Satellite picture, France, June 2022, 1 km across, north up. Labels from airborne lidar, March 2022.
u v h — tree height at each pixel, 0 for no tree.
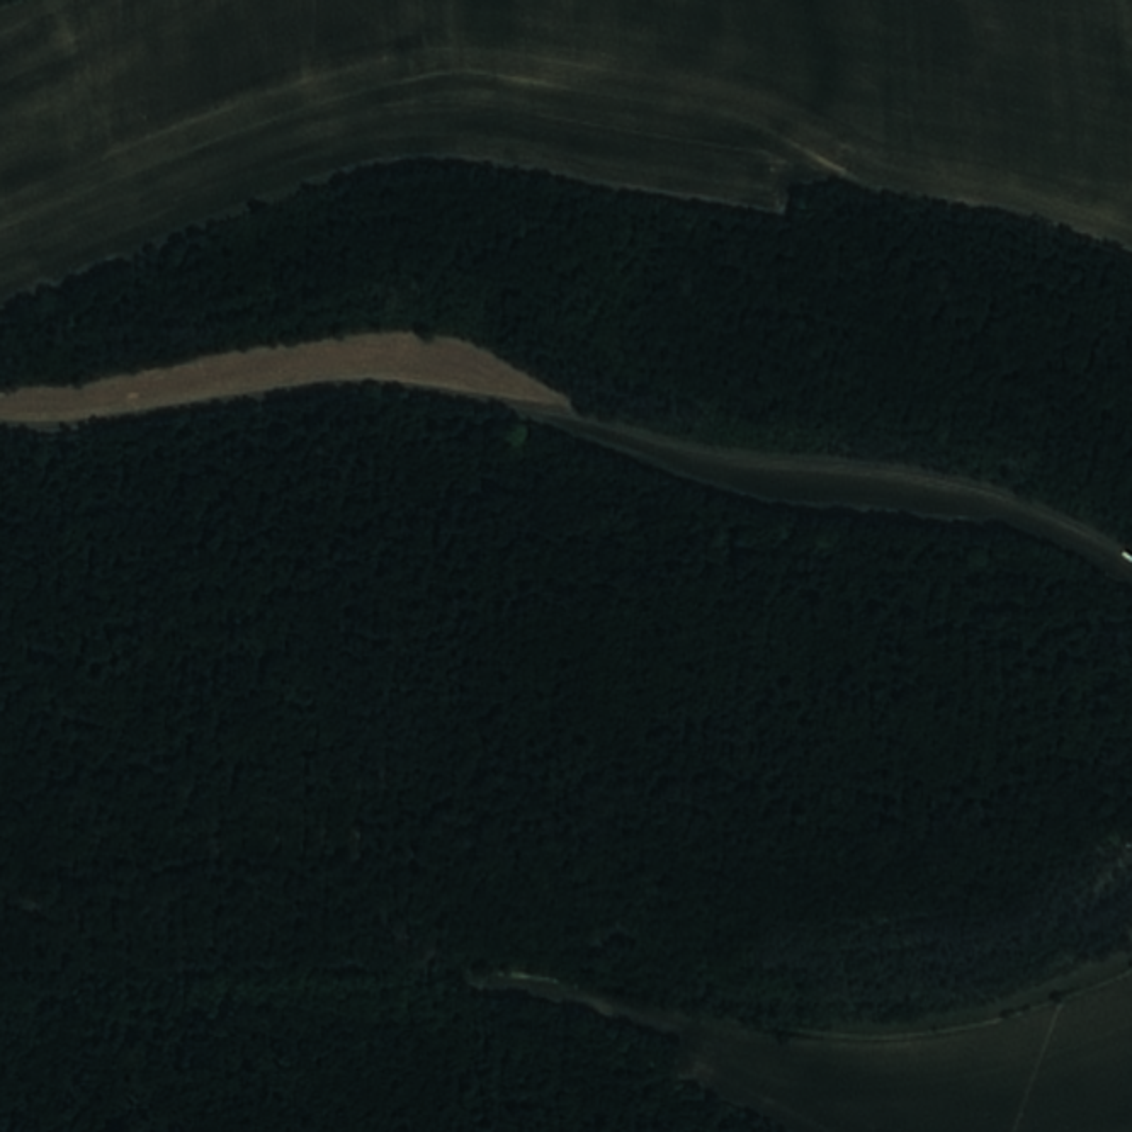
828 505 0
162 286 19
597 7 0
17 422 0
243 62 0
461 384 0
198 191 0
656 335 15
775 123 0
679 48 0
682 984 16
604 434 0
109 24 0
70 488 8
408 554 19
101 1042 23
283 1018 28
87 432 13
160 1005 17
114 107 0
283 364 0
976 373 13
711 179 0
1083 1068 0
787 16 0
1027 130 0
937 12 0
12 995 16
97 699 8
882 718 14
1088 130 0
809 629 6
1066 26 0
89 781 18
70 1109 23
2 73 0
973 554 25
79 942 15
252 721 18
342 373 0
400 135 0
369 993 22
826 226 18
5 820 23
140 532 18
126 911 18
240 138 0
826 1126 0
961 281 17
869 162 0
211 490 16
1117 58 0
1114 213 0
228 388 0
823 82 0
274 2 0
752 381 17
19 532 21
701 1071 0
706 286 16
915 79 0
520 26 0
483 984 0
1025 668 24
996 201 0
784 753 18
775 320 17
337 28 0
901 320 20
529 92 0
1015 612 20
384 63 0
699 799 19
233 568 18
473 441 25
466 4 0
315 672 18
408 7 0
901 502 0
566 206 15
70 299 16
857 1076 0
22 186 0
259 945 18
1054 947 9
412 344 0
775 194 0
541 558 21
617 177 0
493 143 0
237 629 22
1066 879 12
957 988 7
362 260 17
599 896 18
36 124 0
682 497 18
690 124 0
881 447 9
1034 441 12
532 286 19
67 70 0
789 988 13
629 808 16
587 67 0
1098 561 0
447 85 0
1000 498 0
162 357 15
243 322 17
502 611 18
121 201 0
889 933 14
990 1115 0
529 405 0
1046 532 0
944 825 13
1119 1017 0
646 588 24
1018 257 19
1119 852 8
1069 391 18
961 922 14
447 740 15
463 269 16
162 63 0
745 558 26
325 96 0
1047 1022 0
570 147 0
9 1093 21
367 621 21
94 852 7
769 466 0
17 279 0
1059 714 13
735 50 0
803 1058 0
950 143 0
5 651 20
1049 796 14
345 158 0
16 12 0
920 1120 0
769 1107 0
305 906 12
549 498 20
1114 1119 0
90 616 21
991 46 0
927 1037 0
